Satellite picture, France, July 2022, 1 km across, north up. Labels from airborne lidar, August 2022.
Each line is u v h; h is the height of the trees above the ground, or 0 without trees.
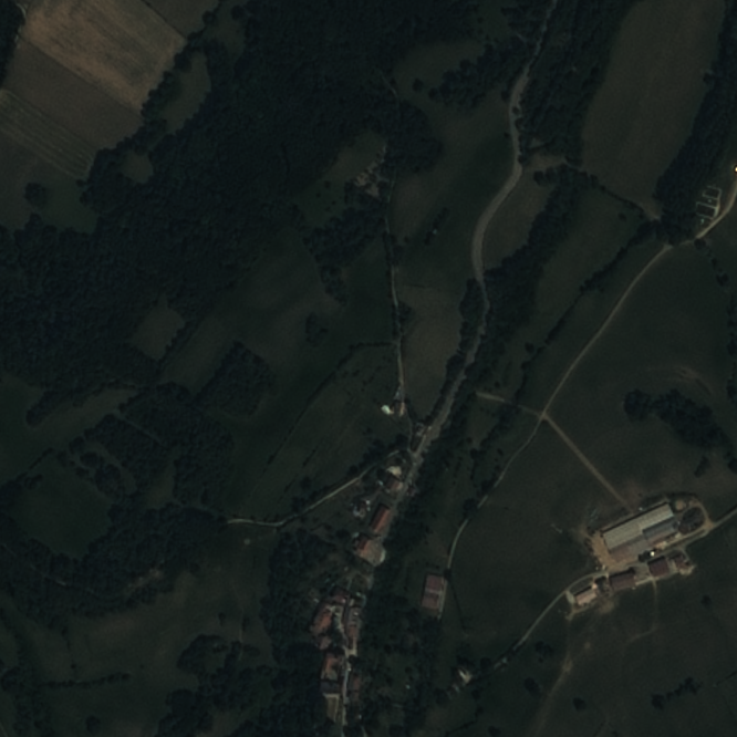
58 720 0
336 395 0
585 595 0
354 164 0
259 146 25
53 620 21
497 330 15
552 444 0
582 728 0
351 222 20
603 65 15
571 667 0
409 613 10
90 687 6
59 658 0
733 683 0
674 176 20
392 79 8
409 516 17
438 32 25
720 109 33
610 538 0
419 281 0
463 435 10
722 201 0
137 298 23
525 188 0
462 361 11
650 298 0
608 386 0
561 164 0
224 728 0
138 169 0
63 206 0
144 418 8
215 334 0
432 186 0
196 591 0
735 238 0
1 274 21
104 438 15
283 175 14
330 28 25
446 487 0
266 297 0
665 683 0
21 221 0
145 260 24
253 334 0
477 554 0
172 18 0
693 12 0
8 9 12
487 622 0
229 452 18
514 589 0
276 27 19
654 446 0
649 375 0
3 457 0
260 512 0
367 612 15
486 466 0
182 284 13
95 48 0
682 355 0
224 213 27
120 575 20
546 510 0
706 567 0
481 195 0
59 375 19
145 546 15
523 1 10
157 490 0
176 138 11
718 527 0
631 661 0
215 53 25
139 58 0
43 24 0
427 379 0
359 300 0
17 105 0
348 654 0
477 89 17
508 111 0
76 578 16
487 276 9
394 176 18
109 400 0
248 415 9
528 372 12
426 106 0
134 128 0
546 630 0
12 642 0
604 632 0
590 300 0
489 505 0
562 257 0
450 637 0
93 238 7
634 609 0
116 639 0
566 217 22
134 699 0
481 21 8
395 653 10
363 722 9
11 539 17
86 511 0
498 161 0
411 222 0
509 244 0
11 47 17
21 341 8
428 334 0
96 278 21
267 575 0
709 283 0
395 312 8
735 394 19
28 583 15
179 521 21
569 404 0
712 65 0
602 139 0
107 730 0
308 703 9
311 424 0
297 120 24
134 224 17
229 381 16
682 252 0
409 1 27
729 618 0
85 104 0
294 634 17
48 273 20
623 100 0
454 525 0
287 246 0
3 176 0
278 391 7
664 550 0
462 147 0
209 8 0
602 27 13
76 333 25
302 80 23
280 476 0
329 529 12
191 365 0
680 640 0
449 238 0
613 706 0
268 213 20
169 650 0
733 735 0
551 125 13
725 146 21
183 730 10
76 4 0
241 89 21
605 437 0
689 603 0
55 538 0
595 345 0
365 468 8
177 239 14
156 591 13
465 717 0
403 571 8
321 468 0
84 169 0
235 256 19
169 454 8
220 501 6
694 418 23
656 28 0
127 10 0
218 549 0
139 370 18
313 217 0
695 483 0
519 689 0
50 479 0
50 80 0
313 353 0
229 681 21
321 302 0
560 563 0
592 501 0
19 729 14
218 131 25
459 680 16
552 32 8
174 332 0
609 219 0
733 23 22
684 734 0
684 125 0
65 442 0
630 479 0
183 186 32
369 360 0
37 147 0
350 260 17
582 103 18
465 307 12
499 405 0
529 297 19
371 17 25
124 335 15
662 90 0
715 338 0
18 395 0
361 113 19
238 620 0
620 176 0
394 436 0
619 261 7
